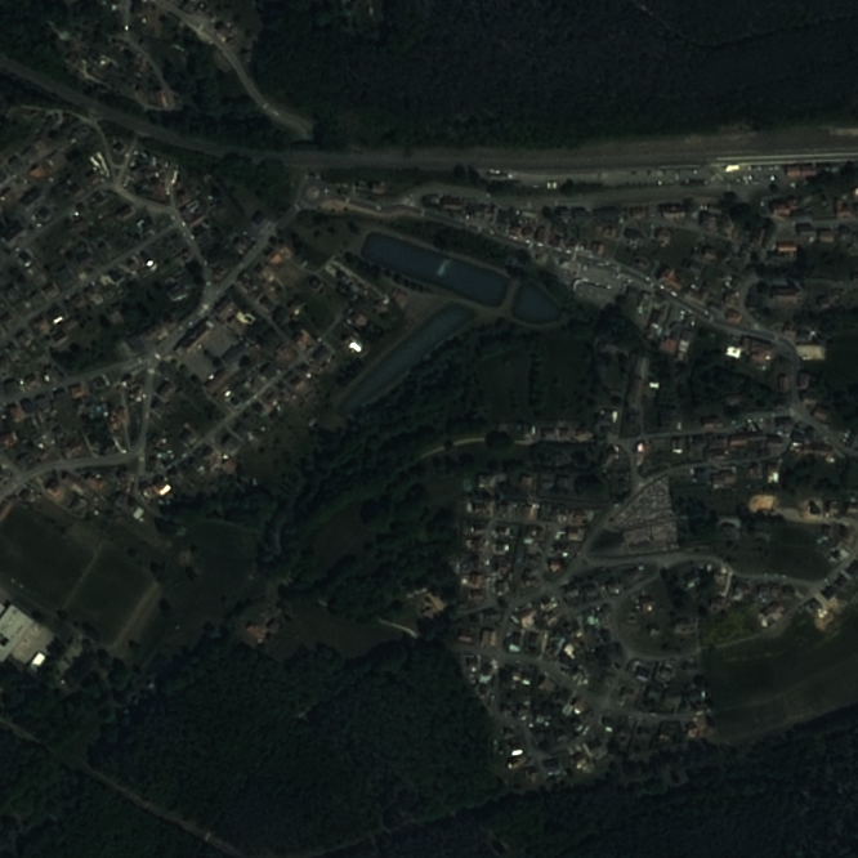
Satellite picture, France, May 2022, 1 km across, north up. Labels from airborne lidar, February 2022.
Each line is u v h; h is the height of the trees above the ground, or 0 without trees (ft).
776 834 73
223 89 0
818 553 0
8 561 0
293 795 64
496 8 69
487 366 0
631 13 71
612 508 0
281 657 0
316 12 68
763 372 0
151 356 0
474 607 0
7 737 60
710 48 62
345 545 0
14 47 66
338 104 58
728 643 0
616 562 0
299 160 0
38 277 0
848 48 67
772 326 0
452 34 83
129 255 0
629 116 43
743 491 0
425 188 0
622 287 0
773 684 0
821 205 0
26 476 0
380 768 69
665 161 0
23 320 0
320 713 51
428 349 0
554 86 68
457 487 0
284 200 0
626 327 77
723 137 0
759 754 29
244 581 0
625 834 64
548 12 79
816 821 64
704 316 0
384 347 0
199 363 0
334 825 54
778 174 0
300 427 0
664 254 0
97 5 37
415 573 39
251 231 0
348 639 0
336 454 49
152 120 34
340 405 0
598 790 46
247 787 57
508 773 0
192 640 0
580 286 0
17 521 0
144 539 0
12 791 80
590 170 0
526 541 0
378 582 52
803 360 0
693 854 68
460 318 0
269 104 0
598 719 0
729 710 0
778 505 0
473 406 23
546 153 0
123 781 64
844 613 0
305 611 0
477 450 0
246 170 67
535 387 31
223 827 60
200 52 60
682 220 0
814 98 49
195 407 0
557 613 0
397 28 79
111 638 0
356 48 52
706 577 52
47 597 0
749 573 0
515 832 96
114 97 57
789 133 0
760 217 0
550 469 21
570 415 0
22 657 0
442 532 43
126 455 0
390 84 56
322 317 0
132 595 0
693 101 55
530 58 69
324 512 68
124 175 0
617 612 0
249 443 26
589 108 60
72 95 0
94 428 25
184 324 0
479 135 47
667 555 0
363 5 0
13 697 68
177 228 0
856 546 0
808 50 52
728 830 70
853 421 35
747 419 0
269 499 86
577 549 0
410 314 24
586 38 79
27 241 0
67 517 0
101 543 0
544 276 33
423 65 65
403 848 75
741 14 57
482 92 57
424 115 52
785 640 0
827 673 0
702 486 0
